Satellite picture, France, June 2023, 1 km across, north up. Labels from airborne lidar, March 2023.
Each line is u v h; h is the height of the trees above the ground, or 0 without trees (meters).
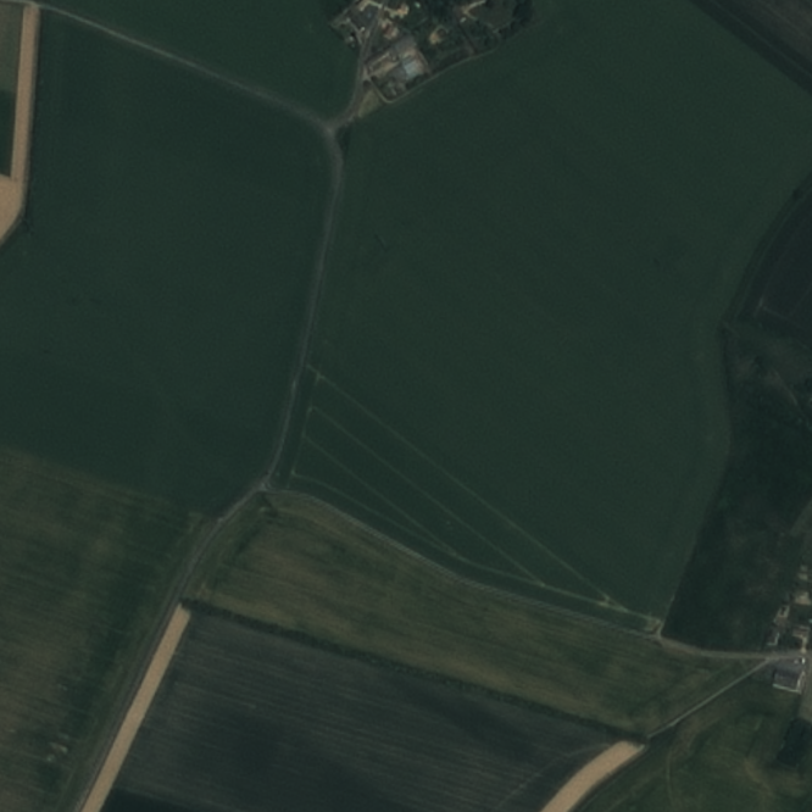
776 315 0
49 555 0
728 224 0
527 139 0
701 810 0
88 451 0
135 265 0
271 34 0
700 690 0
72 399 0
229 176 0
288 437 0
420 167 0
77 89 0
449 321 0
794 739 7
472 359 0
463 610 0
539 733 0
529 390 0
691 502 0
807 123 0
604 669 0
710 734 0
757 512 0
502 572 0
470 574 0
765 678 0
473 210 0
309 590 0
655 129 0
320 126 0
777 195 0
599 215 0
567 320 0
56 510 0
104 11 0
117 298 0
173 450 0
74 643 0
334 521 0
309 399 0
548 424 0
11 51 0
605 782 0
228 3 0
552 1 0
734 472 0
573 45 0
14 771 0
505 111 0
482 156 0
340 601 0
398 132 0
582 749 0
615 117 0
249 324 0
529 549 0
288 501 0
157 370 0
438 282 0
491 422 0
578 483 0
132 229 0
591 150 0
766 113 0
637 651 0
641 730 0
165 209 0
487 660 0
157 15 0
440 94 0
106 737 0
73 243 0
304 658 0
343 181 0
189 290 0
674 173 0
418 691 0
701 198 0
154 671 0
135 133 0
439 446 0
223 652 0
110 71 0
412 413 0
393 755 0
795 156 0
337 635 0
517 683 0
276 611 0
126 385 0
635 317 0
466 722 0
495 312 0
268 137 0
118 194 0
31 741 0
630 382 0
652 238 0
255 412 0
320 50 0
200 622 0
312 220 0
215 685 0
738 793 0
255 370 0
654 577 0
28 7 0
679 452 0
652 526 0
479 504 0
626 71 0
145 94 0
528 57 0
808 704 0
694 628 0
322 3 0
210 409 0
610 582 0
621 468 0
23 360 0
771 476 0
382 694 0
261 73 0
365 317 0
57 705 0
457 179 0
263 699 0
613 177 0
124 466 0
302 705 0
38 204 0
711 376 0
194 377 0
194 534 0
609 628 0
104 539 0
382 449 0
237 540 0
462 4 12
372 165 0
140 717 0
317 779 0
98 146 0
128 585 0
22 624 0
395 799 0
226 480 0
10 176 0
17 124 0
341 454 0
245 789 0
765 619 0
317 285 0
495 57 0
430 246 0
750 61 0
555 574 0
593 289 0
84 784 0
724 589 0
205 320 0
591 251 0
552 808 0
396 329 0
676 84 0
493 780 0
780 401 0
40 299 0
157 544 0
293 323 0
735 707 0
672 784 0
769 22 0
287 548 0
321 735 0
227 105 0
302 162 0
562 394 0
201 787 0
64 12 0
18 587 0
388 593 0
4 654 0
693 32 0
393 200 0
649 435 0
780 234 0
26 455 0
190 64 0
